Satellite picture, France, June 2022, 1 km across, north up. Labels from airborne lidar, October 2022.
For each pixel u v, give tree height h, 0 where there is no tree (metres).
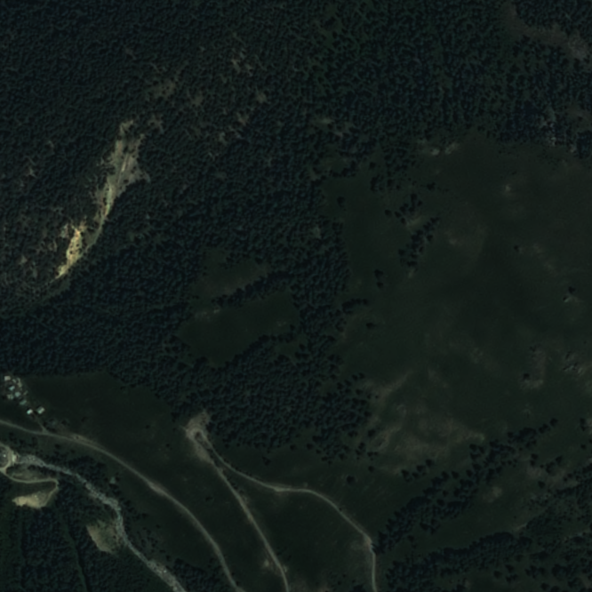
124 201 20
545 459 0
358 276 0
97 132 29
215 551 0
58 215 13
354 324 0
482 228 0
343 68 26
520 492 0
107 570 23
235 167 14
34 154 20
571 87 15
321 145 16
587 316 0
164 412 0
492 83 7
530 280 0
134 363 15
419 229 0
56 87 21
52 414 0
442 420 0
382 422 0
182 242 29
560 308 0
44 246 17
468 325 0
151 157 21
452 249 0
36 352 28
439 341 0
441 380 0
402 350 0
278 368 19
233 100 22
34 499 0
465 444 0
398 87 29
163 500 0
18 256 16
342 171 0
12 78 28
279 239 23
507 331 0
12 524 9
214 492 0
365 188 0
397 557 0
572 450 0
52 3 9
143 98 17
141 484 0
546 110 17
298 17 24
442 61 6
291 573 0
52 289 6
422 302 0
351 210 0
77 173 20
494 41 19
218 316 0
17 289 24
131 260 28
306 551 0
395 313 0
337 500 0
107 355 16
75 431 0
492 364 0
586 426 19
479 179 0
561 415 0
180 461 0
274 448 26
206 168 27
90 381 0
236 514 0
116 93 23
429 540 0
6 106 20
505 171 0
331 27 21
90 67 16
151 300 17
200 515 0
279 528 0
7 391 6
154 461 0
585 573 12
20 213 21
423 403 0
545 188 0
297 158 22
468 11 29
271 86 30
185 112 10
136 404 0
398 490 0
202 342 0
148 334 21
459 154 0
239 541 0
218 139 19
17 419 0
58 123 20
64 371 19
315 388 25
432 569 25
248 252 31
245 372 20
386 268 0
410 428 0
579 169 0
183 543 0
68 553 29
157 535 0
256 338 0
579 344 0
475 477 24
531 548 25
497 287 0
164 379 13
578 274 0
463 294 0
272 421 28
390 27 17
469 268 0
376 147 20
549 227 0
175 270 8
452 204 0
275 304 0
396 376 0
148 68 15
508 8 0
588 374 0
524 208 0
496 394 0
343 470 0
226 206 13
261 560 0
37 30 19
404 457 0
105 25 22
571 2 18
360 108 22
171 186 26
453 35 20
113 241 21
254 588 0
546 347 0
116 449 0
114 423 0
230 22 15
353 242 0
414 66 13
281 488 0
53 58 24
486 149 0
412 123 16
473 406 0
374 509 0
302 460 0
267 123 19
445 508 19
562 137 13
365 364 0
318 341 25
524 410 0
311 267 24
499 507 0
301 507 0
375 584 0
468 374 0
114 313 19
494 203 0
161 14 19
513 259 0
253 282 0
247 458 0
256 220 19
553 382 0
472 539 0
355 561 0
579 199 0
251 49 15
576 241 0
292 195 22
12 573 6
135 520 7
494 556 22
